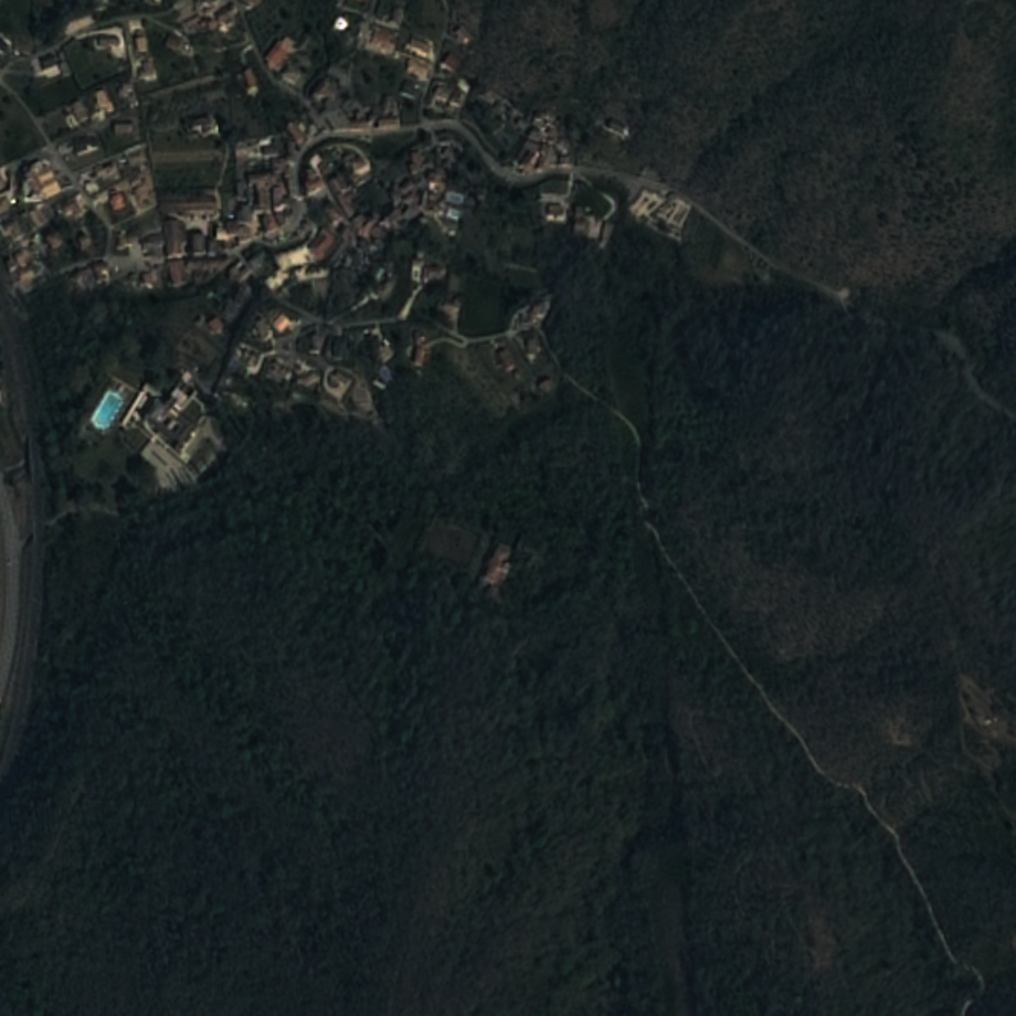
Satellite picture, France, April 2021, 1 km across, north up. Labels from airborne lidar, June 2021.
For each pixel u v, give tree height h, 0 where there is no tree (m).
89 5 21
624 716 29
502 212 10
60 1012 16
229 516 15
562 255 21
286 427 10
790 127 16
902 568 9
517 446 17
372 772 17
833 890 12
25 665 0
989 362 9
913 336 15
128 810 18
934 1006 23
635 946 18
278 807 15
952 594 15
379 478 23
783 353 13
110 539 9
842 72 7
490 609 15
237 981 13
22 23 0
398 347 7
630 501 7
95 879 12
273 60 0
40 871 13
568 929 23
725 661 12
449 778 12
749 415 12
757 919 10
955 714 10
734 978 26
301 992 11
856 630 8
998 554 11
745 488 15
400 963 14
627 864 33
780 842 16
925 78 9
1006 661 21
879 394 28
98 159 0
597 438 15
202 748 9
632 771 28
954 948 8
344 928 17
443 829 9
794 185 10
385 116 0
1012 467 7
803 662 7
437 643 12
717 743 6
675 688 6
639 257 31
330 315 13
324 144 7
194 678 18
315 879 15
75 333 15
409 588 19
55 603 19
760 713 19
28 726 16
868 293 9
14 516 0
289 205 0
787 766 18
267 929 8
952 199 6
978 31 8
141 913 18
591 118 6
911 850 11
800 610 10
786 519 14
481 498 26
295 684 14
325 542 21
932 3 7
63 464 22
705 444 15
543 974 21
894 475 16
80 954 7
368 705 17
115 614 11
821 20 8
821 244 9
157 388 15
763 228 10
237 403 22
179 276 0
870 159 7
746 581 9
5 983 18
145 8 10
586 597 32
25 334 8
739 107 11
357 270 7
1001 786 15
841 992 13
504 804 14
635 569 12
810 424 13
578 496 25
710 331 19
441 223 0
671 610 23
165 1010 9
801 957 9
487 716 18
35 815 16
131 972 14
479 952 15
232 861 29
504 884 10
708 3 8
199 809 16
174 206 0
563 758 23
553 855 19
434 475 25
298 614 17
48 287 16
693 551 13
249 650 16
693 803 22
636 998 18
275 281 0
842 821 16
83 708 12
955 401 8
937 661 9
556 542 23
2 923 13
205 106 6
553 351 9
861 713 8
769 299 16
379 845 13
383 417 21
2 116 9
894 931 14
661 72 9
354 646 19
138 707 14
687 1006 5
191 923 14
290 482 16
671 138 7
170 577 10
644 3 8
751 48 8
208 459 0
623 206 7
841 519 18
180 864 17
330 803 15
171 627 10
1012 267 7
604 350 6
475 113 16
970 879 11
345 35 8
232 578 17
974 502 10
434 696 14
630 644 26
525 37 7
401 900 15
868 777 11
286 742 11
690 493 14
